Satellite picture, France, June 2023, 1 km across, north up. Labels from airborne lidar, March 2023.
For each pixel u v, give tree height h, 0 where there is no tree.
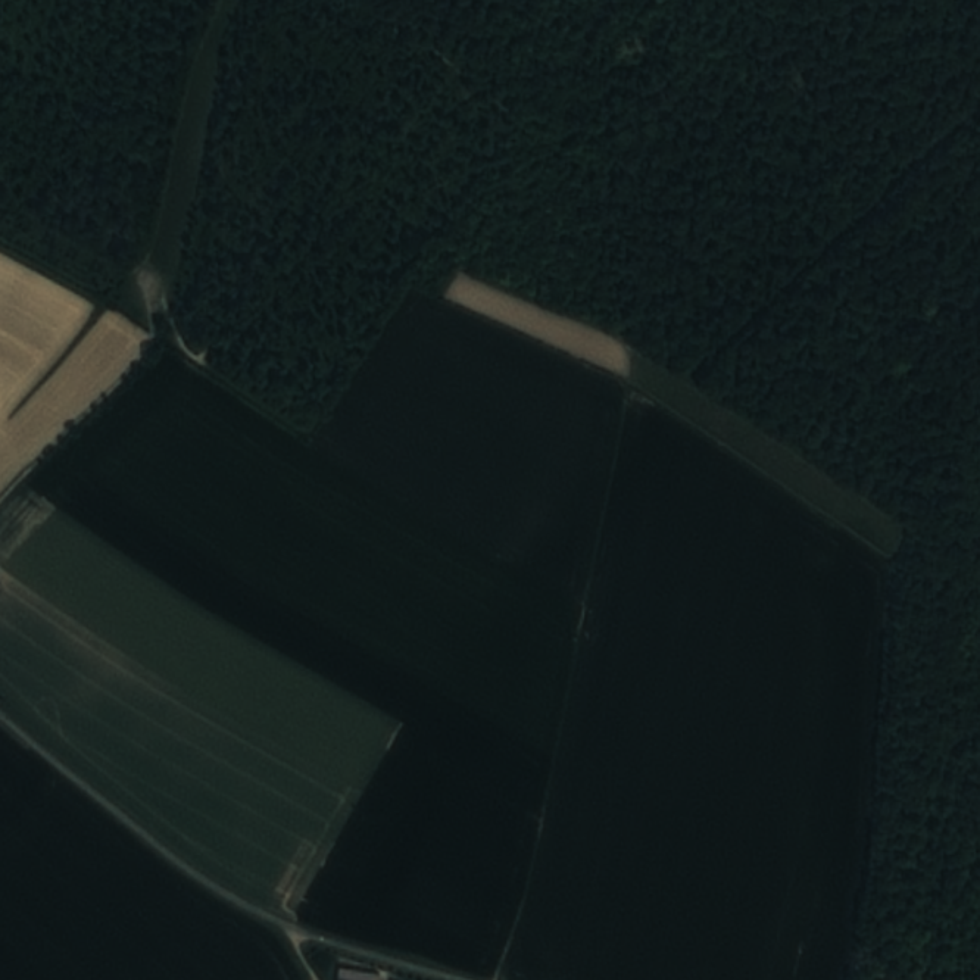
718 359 17
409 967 0
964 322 24
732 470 0
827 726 0
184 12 22
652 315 22
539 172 10
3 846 0
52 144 16
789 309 20
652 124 21
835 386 26
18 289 0
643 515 0
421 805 0
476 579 0
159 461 0
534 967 0
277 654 0
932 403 27
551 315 0
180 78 6
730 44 19
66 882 0
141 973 0
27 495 0
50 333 0
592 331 0
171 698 0
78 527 0
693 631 0
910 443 26
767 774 0
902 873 20
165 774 0
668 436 0
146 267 0
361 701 0
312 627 0
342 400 0
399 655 0
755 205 23
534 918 0
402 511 0
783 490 0
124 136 22
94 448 0
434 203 13
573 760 0
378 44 14
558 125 14
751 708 0
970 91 24
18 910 0
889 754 21
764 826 0
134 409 0
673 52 20
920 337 27
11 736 0
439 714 0
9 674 0
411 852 0
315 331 24
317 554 0
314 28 17
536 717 0
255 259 21
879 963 16
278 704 0
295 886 0
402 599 0
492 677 0
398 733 0
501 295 0
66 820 0
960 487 23
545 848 0
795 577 0
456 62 9
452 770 0
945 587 23
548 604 0
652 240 21
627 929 0
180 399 0
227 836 0
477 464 0
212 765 0
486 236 14
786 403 23
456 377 0
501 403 0
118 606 0
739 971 0
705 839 0
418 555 0
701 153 17
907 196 26
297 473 0
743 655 0
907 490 27
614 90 16
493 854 0
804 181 19
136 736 0
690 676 0
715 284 23
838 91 25
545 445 0
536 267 15
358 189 16
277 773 0
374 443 0
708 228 18
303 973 0
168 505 0
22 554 0
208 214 19
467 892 0
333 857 0
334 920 0
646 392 0
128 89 20
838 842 0
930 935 19
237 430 0
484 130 13
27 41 13
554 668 0
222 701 0
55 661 0
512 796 0
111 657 0
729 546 0
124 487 0
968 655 18
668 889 0
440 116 16
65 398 0
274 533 0
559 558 0
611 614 0
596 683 0
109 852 0
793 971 0
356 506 0
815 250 11
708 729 0
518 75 19
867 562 0
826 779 0
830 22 22
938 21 12
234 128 20
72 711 0
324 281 24
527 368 0
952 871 24
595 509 0
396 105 14
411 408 0
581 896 0
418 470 0
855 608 0
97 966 0
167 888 0
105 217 23
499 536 0
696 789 0
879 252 20
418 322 0
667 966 0
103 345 0
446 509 0
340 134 20
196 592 0
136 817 0
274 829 0
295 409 7
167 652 0
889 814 22
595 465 0
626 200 22
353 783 0
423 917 0
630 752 0
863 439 24
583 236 16
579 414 0
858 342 26
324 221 19
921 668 22
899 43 22
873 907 21
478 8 23
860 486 26
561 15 20
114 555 0
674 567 0
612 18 19
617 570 0
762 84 14
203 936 0
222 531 0
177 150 0
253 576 0
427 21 24
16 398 0
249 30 18
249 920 0
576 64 17
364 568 0
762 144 22
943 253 22
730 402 19
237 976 0
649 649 0
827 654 0
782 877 0
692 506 0
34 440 0
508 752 0
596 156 19
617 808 0
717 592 0
